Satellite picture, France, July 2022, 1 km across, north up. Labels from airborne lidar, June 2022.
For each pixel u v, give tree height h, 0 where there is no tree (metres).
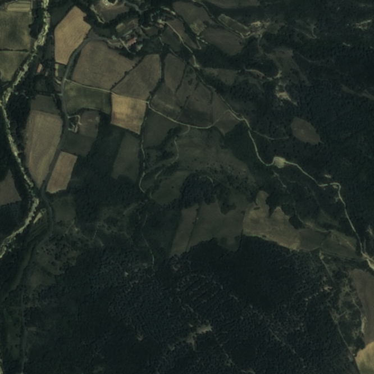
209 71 0
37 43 0
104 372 6
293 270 13
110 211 0
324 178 7
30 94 10
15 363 17
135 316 18
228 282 16
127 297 18
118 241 6
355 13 11
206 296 16
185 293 11
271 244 5
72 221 0
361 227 8
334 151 11
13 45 0
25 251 12
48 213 6
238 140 6
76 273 8
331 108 18
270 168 7
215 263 13
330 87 11
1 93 8
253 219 0
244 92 7
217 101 0
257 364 17
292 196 7
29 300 10
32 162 0
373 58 14
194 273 11
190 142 0
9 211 11
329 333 10
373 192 11
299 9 6
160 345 11
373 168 9
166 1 12
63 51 0
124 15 6
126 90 0
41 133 0
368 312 0
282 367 14
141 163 7
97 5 0
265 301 12
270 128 7
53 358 8
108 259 9
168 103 0
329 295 7
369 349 0
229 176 8
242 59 8
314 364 13
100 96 0
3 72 0
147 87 0
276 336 13
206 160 0
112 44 0
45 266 0
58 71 0
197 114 0
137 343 10
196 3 7
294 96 10
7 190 0
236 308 14
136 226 7
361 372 0
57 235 6
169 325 17
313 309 10
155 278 9
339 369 8
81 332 14
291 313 12
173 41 0
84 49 0
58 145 0
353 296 0
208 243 7
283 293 7
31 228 14
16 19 0
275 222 0
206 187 14
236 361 12
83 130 0
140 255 8
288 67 0
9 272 17
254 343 12
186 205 6
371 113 11
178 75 0
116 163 0
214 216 0
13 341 0
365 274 0
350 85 12
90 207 9
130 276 11
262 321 10
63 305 8
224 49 0
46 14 0
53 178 0
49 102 0
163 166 6
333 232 0
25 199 12
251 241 8
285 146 8
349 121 10
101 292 14
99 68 0
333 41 8
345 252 0
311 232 0
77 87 0
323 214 0
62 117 6
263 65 13
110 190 6
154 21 8
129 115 0
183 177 0
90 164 11
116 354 11
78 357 9
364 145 6
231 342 11
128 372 13
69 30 0
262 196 0
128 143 0
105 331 17
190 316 13
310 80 10
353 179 7
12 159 14
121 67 0
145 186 0
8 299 10
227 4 0
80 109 6
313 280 12
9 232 12
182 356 16
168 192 0
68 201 0
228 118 0
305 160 7
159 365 19
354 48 12
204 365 7
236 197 0
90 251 8
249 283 12
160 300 16
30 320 9
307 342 14
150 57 0
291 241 0
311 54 8
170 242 7
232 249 0
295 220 9
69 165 0
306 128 0
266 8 11
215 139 0
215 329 16
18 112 11
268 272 7
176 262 14
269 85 7
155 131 0
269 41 9
